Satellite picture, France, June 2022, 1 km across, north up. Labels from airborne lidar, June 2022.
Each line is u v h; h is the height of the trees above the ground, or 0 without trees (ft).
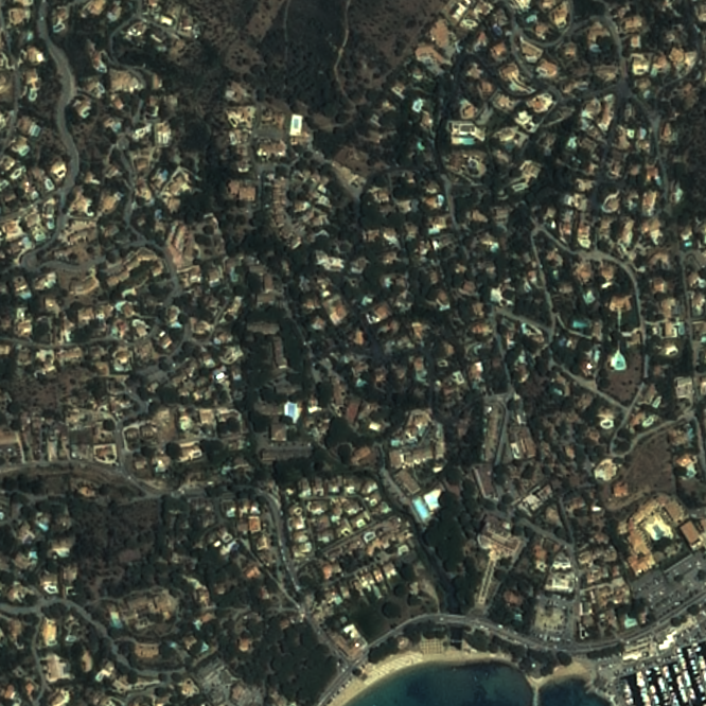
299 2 0
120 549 17
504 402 0
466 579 37
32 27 21
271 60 25
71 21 19
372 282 45
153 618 30
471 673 0
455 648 0
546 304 34
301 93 36
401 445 23
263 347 43
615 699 0
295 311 30
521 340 34
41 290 22
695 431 18
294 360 38
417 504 0
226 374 33
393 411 21
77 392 32
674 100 37
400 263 37
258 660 36
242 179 31
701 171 31
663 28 17
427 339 26
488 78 26
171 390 35
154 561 43
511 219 24
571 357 33
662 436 0
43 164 32
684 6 26
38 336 26
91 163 19
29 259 0
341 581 24
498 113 20
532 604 38
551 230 23
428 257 36
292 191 31
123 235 25
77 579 28
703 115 31
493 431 0
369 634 0
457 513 51
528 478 37
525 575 21
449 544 54
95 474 0
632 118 22
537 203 36
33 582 30
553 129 20
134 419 25
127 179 26
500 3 32
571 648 0
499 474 31
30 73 0
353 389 28
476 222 30
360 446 43
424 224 26
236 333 31
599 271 23
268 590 31
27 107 22
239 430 35
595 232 17
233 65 0
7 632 30
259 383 41
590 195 21
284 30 31
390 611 49
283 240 19
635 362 0
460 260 37
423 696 0
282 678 45
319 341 43
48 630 0
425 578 0
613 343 24
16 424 42
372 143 22
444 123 29
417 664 0
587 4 33
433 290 35
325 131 22
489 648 30
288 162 24
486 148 23
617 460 30
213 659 21
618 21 24
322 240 37
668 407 31
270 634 35
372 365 41
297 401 41
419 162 44
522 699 0
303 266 38
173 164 38
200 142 23
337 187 41
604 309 35
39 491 41
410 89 24
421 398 20
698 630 0
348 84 27
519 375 33
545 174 37
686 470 30
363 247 33
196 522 34
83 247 0
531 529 32
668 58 20
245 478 26
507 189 26
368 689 0
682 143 23
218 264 23
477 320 21
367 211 45
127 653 41
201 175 35
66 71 0
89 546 42
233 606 30
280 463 47
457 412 48
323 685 49
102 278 26
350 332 22
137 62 25
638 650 0
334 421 42
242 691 0
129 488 24
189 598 28
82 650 24
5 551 22
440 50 28
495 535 0
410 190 25
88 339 33
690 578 0
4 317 21
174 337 32
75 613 28
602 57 43
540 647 0
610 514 17
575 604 0
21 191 38
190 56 29
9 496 20
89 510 41
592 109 0
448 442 38
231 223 37
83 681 18
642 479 0
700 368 34
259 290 36
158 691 37
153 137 21
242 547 25
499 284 31
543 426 29
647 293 33
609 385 24
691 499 36
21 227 25
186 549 36
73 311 30
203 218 40
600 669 0
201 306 32
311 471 49
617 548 42
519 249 23
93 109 30
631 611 40
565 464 24
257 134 0
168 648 27
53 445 0
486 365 31
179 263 0
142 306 23
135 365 28
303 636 37
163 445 0
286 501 24
